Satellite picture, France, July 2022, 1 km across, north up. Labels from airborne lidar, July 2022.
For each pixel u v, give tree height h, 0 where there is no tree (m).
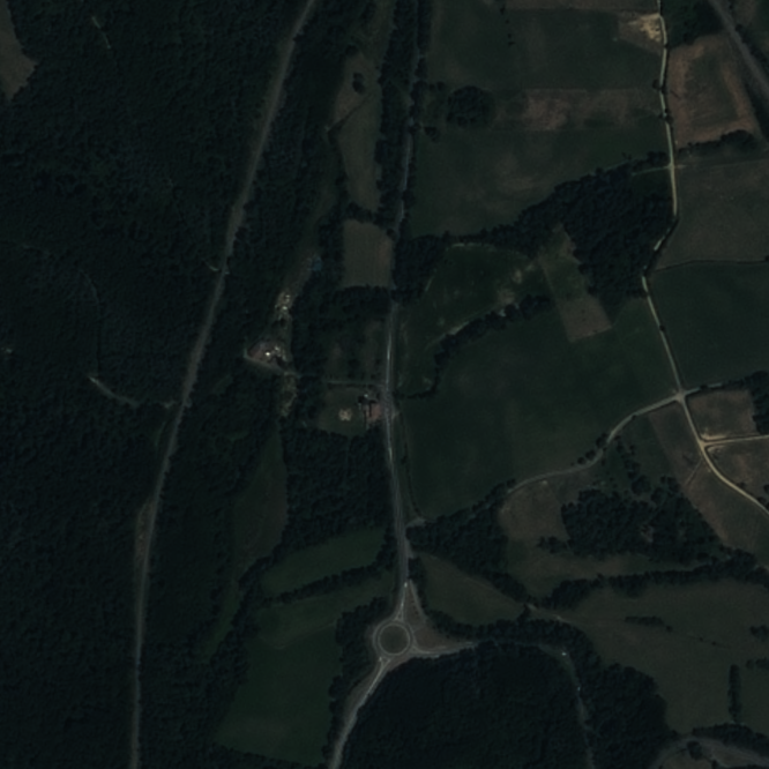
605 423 0
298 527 17
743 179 0
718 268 0
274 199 23
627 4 0
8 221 26
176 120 17
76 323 19
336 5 19
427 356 0
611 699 22
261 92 16
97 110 24
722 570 25
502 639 24
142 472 21
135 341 17
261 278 11
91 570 19
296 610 0
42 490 27
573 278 0
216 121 15
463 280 0
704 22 6
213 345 13
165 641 6
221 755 15
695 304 0
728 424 0
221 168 23
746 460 0
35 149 22
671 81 0
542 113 0
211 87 12
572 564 0
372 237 0
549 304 21
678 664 0
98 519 15
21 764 17
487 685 22
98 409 18
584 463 9
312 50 14
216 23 11
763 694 0
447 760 13
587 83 0
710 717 0
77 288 18
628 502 8
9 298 16
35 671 20
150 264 26
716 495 0
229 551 8
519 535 0
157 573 8
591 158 0
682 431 0
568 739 23
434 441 0
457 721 12
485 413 0
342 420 0
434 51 0
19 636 19
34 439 30
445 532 16
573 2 0
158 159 19
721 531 0
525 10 0
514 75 0
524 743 10
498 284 0
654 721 13
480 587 0
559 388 0
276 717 0
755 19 0
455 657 7
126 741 26
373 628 0
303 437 17
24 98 9
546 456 0
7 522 24
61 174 6
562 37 0
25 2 14
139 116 20
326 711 0
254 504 0
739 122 0
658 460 0
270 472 0
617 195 27
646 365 0
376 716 15
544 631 24
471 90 14
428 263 30
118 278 31
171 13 17
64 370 18
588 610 0
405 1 19
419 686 13
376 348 0
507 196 0
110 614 24
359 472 19
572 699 17
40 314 15
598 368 0
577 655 19
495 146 0
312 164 20
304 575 0
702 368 0
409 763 10
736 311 0
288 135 11
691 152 15
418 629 0
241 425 9
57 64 17
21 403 17
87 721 24
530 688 10
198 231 15
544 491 0
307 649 0
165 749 22
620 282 6
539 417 0
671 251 0
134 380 18
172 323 28
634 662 0
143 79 18
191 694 20
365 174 0
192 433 18
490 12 0
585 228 19
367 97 0
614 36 0
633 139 0
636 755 20
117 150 19
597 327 0
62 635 22
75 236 30
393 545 19
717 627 0
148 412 20
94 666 18
